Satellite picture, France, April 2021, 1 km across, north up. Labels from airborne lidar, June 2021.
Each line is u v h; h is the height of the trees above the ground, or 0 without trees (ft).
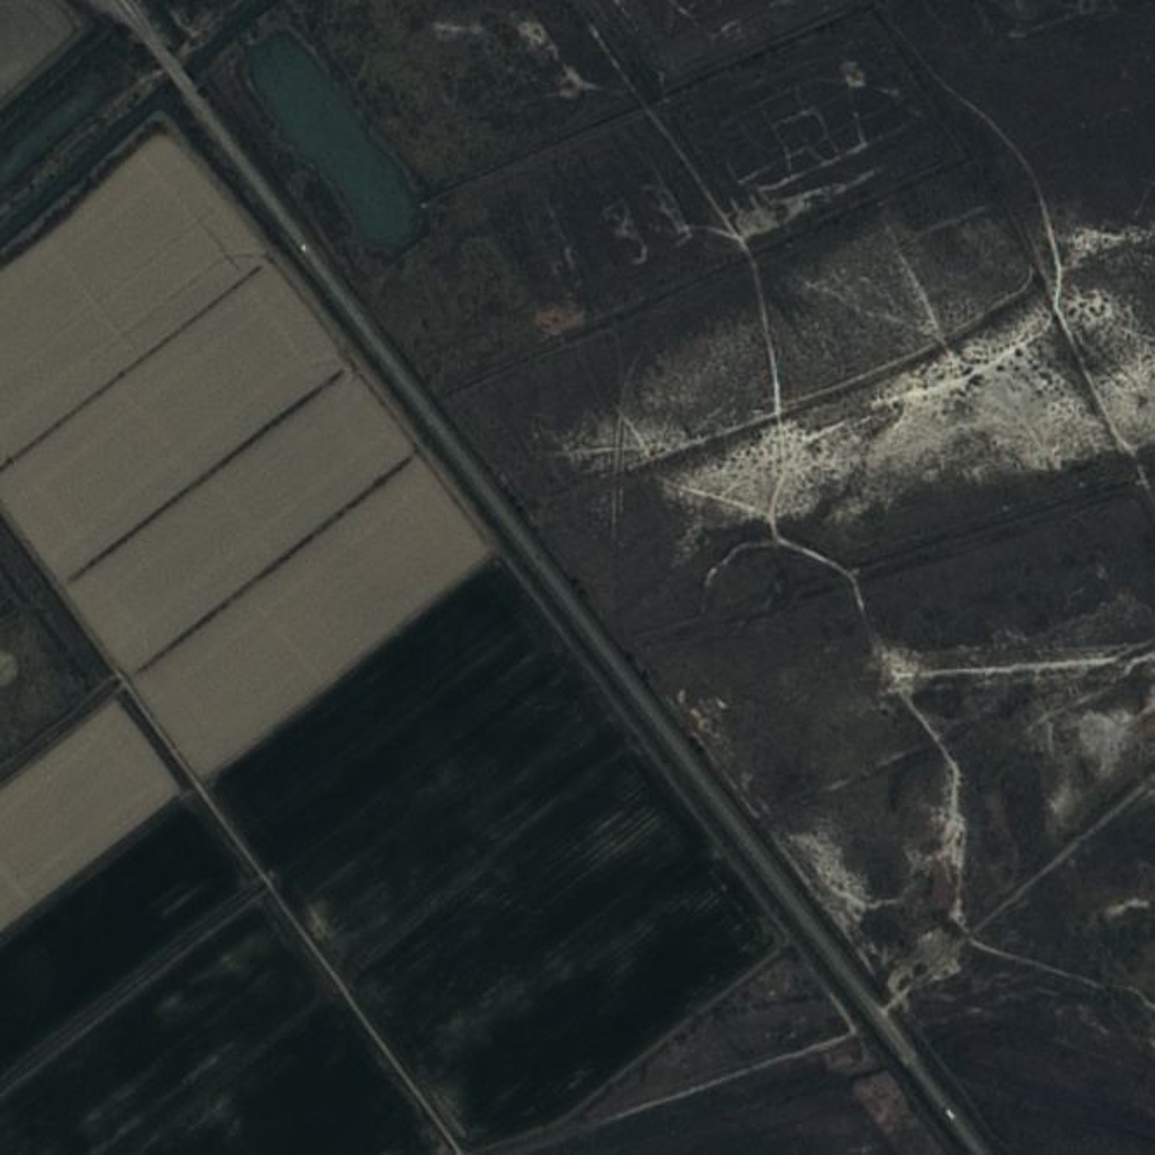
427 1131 0
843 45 0
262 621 0
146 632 0
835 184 0
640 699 0
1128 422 0
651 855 0
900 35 0
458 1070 0
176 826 0
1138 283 0
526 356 0
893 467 0
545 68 0
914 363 0
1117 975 0
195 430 0
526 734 0
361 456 0
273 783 0
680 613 0
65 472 0
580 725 0
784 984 0
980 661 0
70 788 0
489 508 0
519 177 0
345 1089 0
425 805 0
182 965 0
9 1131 0
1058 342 0
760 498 0
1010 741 0
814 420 0
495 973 0
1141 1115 0
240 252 0
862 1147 0
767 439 0
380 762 0
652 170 0
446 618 0
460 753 0
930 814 0
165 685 0
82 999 0
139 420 0
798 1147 0
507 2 0
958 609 0
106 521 0
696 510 0
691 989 0
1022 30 0
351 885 0
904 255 0
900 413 0
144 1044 0
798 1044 0
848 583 0
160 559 0
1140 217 0
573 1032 0
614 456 0
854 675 0
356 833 0
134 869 0
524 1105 0
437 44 0
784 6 0
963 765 0
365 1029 0
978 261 0
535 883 0
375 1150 0
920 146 0
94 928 0
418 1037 0
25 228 0
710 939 0
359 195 0
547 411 0
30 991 0
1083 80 0
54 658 0
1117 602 0
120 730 0
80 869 0
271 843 0
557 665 0
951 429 0
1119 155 0
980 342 0
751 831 0
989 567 0
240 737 0
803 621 0
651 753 0
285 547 0
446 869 0
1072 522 0
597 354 0
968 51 0
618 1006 0
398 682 0
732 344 0
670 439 0
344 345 0
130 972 0
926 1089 0
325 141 0
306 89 0
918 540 0
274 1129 0
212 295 0
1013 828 0
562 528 0
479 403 0
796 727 0
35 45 0
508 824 0
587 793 0
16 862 0
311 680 0
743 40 0
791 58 0
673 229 0
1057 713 0
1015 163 0
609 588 0
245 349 0
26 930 0
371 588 0
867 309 0
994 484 0
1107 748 0
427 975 0
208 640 0
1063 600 0
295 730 0
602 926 0
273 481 0
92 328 0
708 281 0
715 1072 0
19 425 0
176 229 0
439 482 0
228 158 0
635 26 0
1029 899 0
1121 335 0
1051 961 0
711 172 0
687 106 0
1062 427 0
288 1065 0
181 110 25
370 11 0
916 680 0
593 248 0
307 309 0
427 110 0
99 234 0
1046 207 0
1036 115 0
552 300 0
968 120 0
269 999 0
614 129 0
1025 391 0
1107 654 0
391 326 0
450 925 0
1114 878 0
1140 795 0
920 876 0
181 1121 0
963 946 0
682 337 0
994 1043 0
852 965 0
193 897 0
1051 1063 0
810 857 0
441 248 0
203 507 0
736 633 0
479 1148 0
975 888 0
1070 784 0
